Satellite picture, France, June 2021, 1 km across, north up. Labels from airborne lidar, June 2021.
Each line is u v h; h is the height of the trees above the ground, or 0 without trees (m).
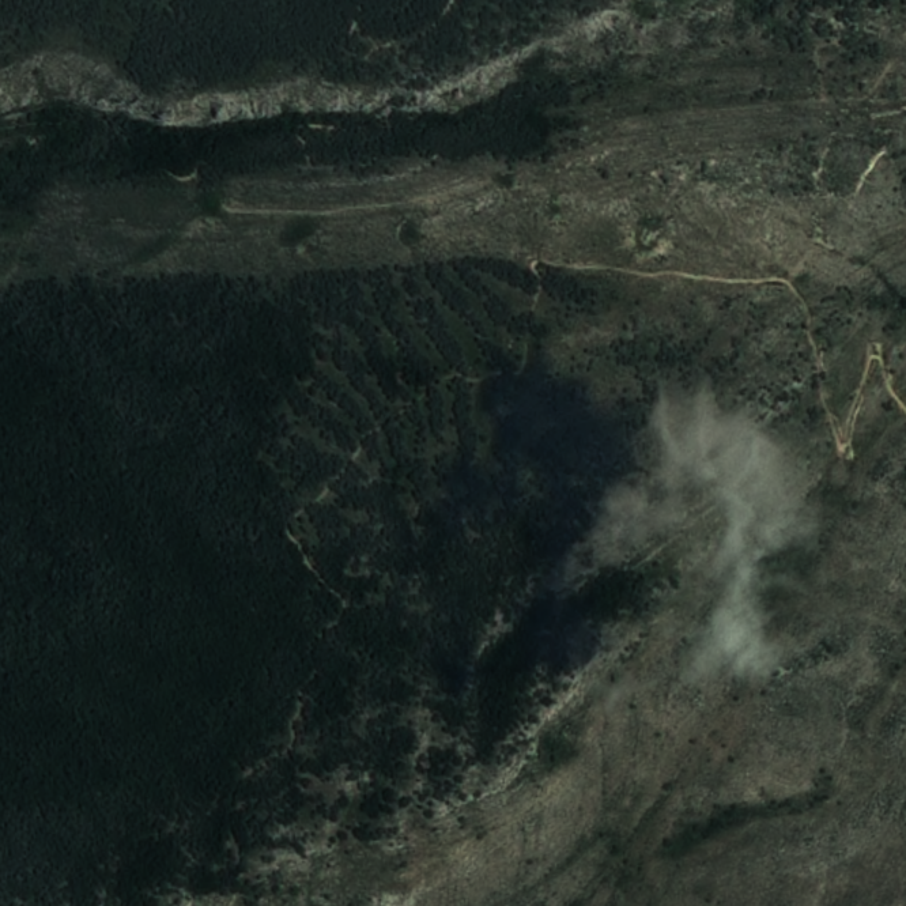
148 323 11
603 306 0
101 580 18
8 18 8
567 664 6
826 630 0
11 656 15
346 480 7
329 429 9
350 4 10
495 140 8
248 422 11
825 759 0
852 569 0
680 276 0
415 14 9
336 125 9
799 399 8
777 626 0
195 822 8
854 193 0
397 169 0
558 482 7
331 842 6
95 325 8
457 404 10
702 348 8
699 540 0
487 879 0
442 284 9
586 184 0
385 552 7
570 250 0
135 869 13
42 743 17
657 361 7
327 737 7
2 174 7
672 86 0
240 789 7
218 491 16
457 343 10
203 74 8
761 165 0
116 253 0
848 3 9
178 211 0
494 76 0
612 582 14
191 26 8
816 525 0
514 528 10
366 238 0
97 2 5
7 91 0
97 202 0
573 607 14
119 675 14
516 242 0
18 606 14
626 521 6
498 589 9
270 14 8
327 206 0
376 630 9
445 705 12
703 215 0
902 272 0
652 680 0
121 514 16
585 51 0
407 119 10
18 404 16
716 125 0
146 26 8
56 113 9
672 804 0
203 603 16
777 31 10
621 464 10
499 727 7
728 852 0
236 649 15
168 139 17
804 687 0
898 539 0
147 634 14
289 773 7
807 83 0
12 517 18
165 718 12
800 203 0
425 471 11
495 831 0
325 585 11
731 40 0
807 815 0
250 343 13
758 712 0
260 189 0
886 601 0
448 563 10
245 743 8
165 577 14
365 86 0
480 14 6
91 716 11
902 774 0
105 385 9
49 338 9
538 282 8
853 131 0
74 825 11
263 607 11
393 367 13
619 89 8
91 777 14
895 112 0
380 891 0
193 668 14
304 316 7
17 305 8
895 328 7
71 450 12
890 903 0
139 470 10
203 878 12
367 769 7
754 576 0
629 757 0
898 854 0
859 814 0
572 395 9
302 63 6
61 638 11
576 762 0
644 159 0
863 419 0
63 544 17
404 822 0
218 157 12
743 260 0
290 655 11
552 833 0
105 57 0
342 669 9
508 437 13
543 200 0
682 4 0
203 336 7
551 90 12
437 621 8
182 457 11
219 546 9
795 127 0
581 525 6
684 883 0
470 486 10
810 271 0
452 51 8
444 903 0
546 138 5
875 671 0
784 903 0
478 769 0
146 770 12
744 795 0
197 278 13
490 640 6
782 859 0
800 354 7
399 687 9
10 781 10
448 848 0
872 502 0
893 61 0
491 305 9
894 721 0
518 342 9
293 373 10
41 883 7
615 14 0
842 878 0
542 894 0
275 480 10
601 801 0
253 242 0
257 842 8
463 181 0
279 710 8
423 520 10
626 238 0
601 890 0
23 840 7
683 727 0
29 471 14
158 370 13
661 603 12
